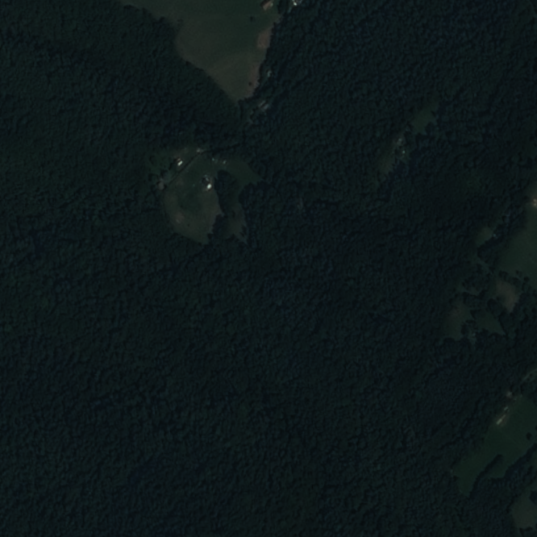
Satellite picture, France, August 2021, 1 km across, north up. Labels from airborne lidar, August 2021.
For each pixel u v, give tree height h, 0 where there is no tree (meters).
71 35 19
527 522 0
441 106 0
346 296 36
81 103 25
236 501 21
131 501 19
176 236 14
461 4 31
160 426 11
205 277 21
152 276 23
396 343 33
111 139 26
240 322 26
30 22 26
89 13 20
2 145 22
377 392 31
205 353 25
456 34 31
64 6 24
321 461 35
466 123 14
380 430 23
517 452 0
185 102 22
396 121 23
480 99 21
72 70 25
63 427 26
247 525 29
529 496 0
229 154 19
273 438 25
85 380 25
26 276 24
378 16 29
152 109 28
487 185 12
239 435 26
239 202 0
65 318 26
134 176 18
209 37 0
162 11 0
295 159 19
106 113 24
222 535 31
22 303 20
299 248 17
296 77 24
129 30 21
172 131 16
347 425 26
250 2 0
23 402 28
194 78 24
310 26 9
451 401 21
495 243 11
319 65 22
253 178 0
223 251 22
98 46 22
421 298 33
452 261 30
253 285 27
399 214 18
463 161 25
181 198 0
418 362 19
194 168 0
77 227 25
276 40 18
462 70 28
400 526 16
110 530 20
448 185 25
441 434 28
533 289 13
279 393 26
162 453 20
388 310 31
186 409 29
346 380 34
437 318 22
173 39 8
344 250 35
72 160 24
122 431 24
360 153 17
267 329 19
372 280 26
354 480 23
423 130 0
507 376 22
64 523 21
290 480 32
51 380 25
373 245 30
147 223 17
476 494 13
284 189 31
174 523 20
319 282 27
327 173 19
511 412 0
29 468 16
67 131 20
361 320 31
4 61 26
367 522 29
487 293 15
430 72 19
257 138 14
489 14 23
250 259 30
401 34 28
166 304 27
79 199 29
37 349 25
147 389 12
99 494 24
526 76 23
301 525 30
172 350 22
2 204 32
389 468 25
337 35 20
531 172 16
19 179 22
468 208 24
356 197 24
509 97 29
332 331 30
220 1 0
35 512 21
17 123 21
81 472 17
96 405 16
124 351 21
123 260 13
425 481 28
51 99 18
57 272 27
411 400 22
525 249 0
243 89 0
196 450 24
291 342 28
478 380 26
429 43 30
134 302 24
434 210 29
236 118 17
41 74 24
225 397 9
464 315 0
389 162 0
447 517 24
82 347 17
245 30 0
